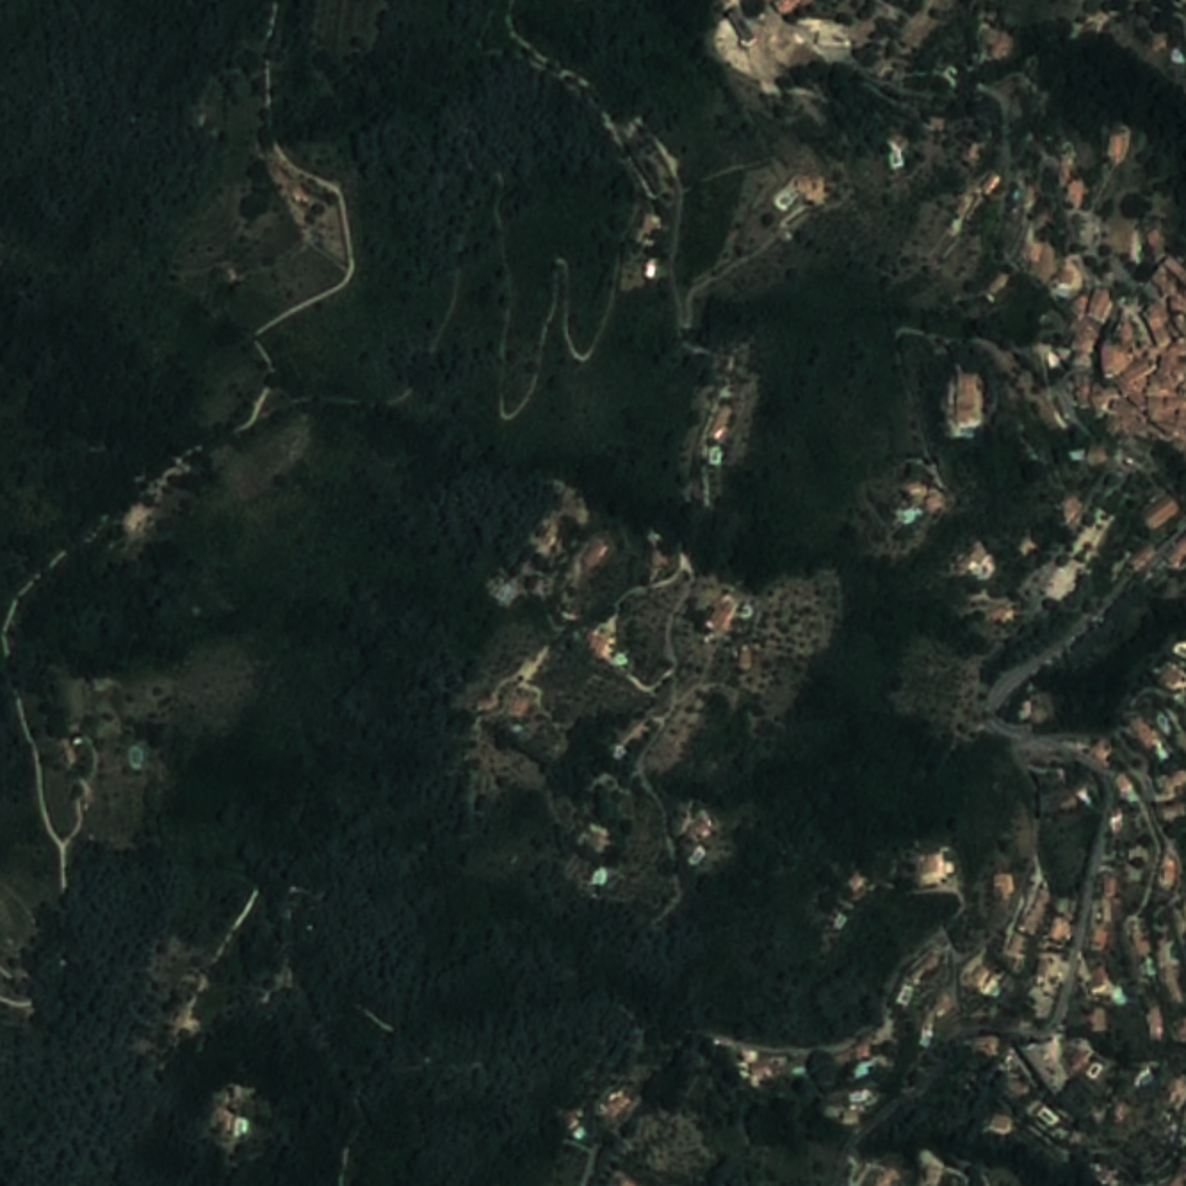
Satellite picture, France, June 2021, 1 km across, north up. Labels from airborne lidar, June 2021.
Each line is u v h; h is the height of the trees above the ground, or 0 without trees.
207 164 11
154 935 14
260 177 12
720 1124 17
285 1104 22
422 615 9
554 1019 14
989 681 13
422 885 13
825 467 6
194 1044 12
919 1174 6
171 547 14
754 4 16
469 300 6
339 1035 12
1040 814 13
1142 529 9
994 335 21
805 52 0
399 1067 20
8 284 13
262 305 0
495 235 12
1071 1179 14
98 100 17
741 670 6
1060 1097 11
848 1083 11
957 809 8
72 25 17
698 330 9
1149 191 7
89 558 9
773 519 7
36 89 9
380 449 12
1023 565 6
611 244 18
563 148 19
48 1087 15
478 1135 15
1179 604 12
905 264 11
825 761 16
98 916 21
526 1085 16
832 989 16
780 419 7
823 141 6
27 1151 11
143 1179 17
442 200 14
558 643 6
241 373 0
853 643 8
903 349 7
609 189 6
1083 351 0
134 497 13
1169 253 8
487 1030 18
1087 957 9
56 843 0
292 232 0
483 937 5
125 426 17
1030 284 8
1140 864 9
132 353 10
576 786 14
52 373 10
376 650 22
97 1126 13
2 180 7
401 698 19
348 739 9
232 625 14
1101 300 0
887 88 7
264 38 13
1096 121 12
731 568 12
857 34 0
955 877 0
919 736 6
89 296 10
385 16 15
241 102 13
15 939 0
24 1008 0
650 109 8
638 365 6
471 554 9
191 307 6
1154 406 0
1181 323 0
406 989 7
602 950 17
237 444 8
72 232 13
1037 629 11
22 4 10
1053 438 7
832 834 12
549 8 17
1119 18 7
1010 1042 9
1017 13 0
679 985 14
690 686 0
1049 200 8
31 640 8
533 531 19
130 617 10
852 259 6
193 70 19
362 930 15
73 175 17
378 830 7
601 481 22
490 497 19
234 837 7
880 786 12
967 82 11
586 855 14
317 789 11
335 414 6
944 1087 9
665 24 7
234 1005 15
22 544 9
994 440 13
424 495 11
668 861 8
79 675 7
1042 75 16
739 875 7
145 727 8
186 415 11
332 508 7
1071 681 14
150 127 15
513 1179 5
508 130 14
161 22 16
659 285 13
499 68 18
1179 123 17
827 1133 6
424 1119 11
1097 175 11
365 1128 8
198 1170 20
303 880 15
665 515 17
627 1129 11
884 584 13
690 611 6
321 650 5
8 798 7
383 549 11
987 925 7
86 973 18
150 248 12
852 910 6
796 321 7
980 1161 12
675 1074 16
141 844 6
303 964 16
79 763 5
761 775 15
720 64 7
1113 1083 8
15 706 16
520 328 6
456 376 17
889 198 11
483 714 7
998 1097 9
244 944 12
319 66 11
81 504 11
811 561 9
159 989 16
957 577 10
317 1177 18
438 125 17
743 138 13
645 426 8
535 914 8
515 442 6
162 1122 18
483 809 19
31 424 11
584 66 12
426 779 17
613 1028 18
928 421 6
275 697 6
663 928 9
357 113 14
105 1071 14
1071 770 7
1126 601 13
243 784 10
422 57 13
